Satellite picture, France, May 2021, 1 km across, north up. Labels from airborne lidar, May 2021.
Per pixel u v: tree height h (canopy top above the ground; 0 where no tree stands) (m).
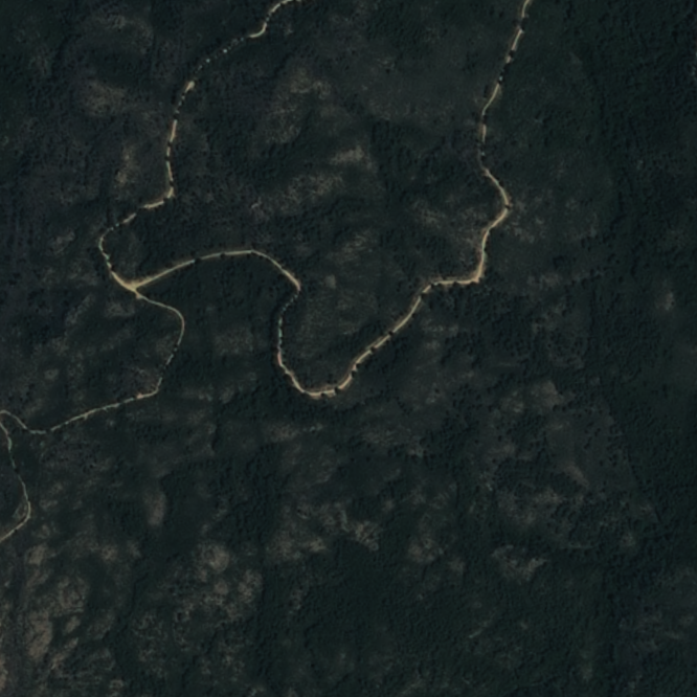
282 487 17
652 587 12
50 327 10
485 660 8
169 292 9
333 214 14
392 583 11
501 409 8
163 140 11
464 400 8
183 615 11
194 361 9
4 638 10
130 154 0
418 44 11
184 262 0
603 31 6
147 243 11
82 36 13
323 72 11
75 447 9
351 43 7
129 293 9
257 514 12
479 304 13
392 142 14
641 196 23
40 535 0
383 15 9
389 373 13
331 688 7
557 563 10
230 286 10
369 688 11
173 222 10
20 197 25
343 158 0
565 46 9
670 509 20
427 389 0
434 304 12
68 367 0
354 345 11
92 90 9
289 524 0
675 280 6
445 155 13
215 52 14
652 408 10
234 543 11
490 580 9
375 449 11
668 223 9
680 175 7
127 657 11
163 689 12
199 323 10
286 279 18
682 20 6
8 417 9
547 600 12
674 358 11
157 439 9
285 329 12
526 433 12
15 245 17
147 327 8
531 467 12
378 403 10
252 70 12
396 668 6
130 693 9
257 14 10
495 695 7
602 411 8
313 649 14
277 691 14
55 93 12
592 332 13
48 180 13
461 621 9
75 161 9
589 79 7
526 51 8
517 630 11
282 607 11
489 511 6
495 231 14
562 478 11
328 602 15
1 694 15
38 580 0
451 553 6
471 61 11
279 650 8
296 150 13
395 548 8
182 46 9
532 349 12
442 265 9
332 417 16
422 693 6
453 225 8
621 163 13
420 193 11
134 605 9
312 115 10
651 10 17
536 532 7
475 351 14
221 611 12
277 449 10
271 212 10
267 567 7
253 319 12
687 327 6
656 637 7
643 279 23
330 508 0
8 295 12
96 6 7
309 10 10
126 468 10
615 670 8
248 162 10
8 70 15
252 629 14
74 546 0
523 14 0
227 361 15
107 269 8
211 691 11
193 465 8
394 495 9
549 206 10
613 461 14
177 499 12
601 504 11
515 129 6
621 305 17
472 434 19
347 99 11
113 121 10
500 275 16
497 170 15
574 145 7
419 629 9
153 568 9
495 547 8
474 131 11
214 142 11
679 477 14
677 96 12
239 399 12
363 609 15
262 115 10
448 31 12
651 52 17
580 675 9
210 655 12
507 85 12
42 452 0
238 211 13
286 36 10
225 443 16
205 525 0
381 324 12
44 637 0
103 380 8
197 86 7
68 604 0
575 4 20
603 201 6
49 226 10
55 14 12
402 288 8
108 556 0
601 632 6
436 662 14
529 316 9
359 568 16
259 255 12
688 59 13
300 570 9
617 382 12
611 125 30
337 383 6
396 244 9
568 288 11
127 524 14
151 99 12
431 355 0
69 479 0
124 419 6
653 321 7
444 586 9
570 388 9
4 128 6
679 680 9
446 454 12
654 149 13
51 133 11
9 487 7
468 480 11
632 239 7
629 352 10
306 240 8
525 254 0
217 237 10
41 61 10
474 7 10
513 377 14
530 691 10
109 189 10
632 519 13
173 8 12
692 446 9
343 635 11
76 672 10
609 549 22
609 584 21
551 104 7
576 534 12
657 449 15
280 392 16
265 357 14
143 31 0
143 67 12
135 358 9
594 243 21
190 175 10
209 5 13
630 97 24
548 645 6
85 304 0
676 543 16
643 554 15
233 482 15
